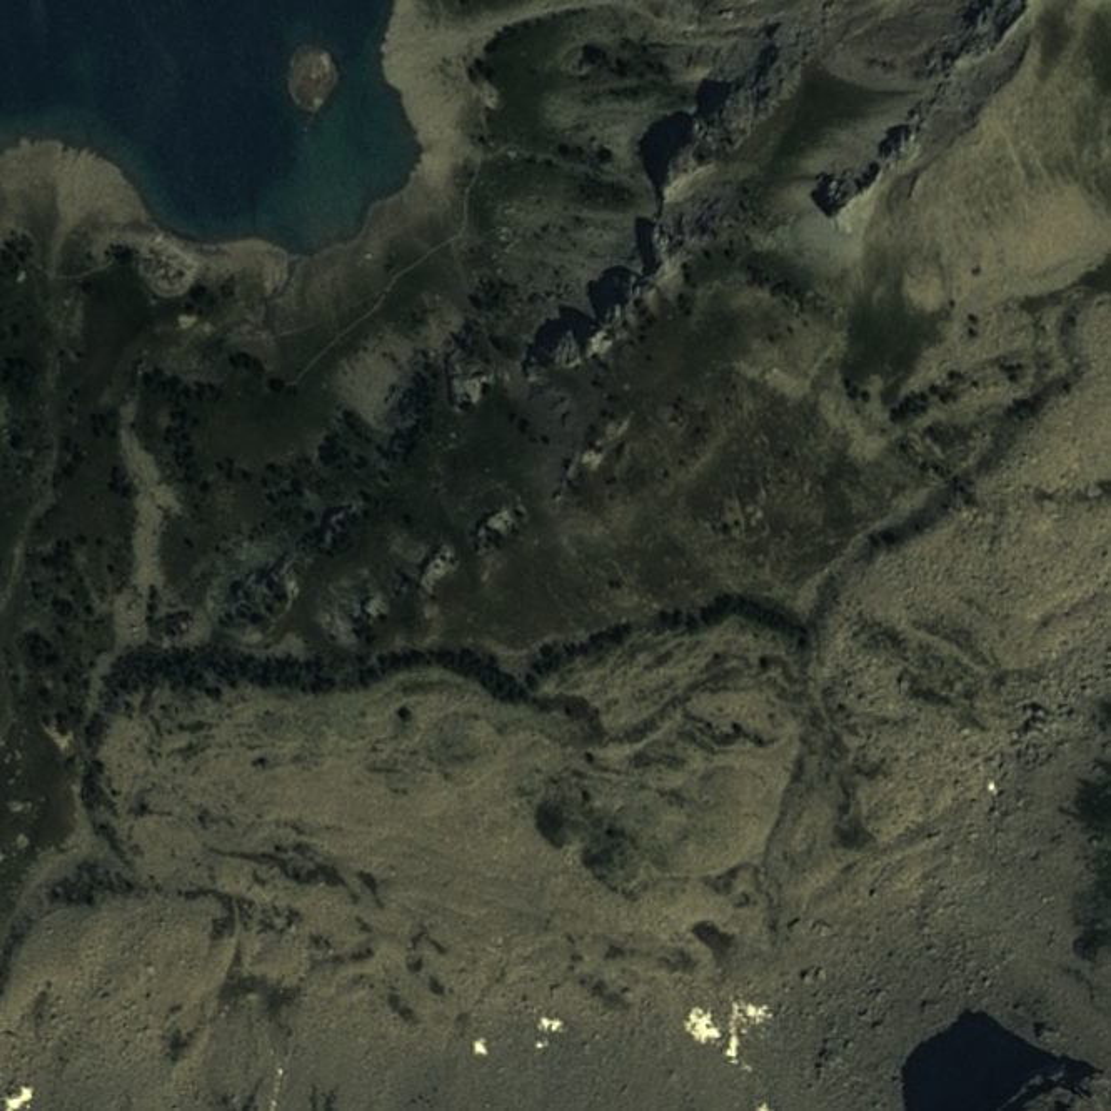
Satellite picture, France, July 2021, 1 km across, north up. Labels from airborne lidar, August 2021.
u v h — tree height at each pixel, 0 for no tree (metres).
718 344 0
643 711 0
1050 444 0
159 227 0
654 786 0
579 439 0
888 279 0
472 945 0
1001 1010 0
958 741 0
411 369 0
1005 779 0
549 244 0
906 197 0
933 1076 0
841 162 0
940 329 0
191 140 0
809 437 0
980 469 0
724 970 0
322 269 0
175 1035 0
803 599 0
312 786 0
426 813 0
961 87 0
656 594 0
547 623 0
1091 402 0
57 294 0
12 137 0
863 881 0
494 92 0
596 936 0
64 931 0
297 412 0
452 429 0
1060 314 0
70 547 10
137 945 0
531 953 0
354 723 0
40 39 0
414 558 0
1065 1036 0
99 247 0
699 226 0
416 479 0
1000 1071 0
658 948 0
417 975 0
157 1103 0
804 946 0
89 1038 0
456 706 0
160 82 0
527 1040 0
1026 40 0
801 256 0
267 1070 0
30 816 0
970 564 0
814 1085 0
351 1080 0
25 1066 0
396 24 0
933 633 0
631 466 0
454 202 0
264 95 0
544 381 0
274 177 0
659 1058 0
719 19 0
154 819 0
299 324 0
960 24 0
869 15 0
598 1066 0
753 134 0
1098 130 0
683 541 0
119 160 0
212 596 0
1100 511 0
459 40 0
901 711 0
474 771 0
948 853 0
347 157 0
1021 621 0
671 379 0
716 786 0
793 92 0
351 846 0
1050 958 0
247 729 0
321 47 0
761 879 0
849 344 0
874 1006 0
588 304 0
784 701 0
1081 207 0
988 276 0
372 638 13
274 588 10
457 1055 0
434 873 0
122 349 0
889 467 0
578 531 0
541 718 0
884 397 0
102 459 0
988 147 0
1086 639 0
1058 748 0
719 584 0
